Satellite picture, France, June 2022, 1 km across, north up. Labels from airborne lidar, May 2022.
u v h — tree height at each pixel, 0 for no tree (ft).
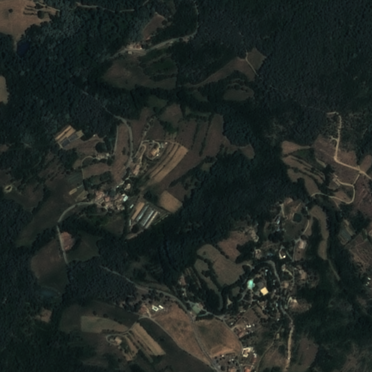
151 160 20
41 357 35
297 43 52
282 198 49
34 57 96
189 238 87
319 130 20
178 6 20
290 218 0
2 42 108
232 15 65
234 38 58
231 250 0
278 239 80
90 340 0
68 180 0
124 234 36
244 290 33
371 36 45
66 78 125
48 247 0
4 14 0
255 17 40
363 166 0
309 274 51
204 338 0
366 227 24
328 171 24
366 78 37
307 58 70
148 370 0
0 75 45
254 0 44
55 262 0
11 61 100
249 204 52
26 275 33
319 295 37
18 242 0
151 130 0
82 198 0
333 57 59
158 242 60
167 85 0
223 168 53
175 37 48
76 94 108
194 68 56
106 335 0
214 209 77
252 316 0
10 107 37
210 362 0
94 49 67
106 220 34
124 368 0
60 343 47
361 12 63
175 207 0
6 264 77
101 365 0
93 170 0
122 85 0
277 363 0
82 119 60
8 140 32
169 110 0
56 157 27
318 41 56
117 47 34
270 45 44
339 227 32
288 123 46
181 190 0
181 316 0
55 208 0
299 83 55
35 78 60
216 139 0
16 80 47
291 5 20
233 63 0
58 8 41
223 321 23
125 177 21
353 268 19
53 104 75
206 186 73
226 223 42
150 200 51
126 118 30
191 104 66
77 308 0
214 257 0
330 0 39
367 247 0
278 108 42
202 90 26
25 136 57
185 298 27
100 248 27
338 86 38
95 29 108
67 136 0
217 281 45
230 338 0
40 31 51
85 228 26
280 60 47
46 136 31
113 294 67
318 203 78
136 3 73
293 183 36
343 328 40
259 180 57
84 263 59
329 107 19
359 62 42
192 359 0
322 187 29
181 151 0
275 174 59
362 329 26
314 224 17
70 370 44
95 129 58
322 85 28
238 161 68
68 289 50
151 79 32
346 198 0
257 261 27
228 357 0
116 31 98
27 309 54
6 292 66
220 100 61
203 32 53
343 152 0
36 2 42
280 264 41
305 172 21
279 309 32
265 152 34
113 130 35
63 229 37
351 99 34
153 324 0
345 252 20
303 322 24
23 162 33
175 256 97
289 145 0
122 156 0
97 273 61
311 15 35
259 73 30
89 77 78
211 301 37
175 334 0
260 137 60
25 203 0
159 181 0
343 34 25
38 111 86
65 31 62
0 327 57
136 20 66
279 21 75
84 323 0
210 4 85
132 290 68
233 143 54
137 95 61
